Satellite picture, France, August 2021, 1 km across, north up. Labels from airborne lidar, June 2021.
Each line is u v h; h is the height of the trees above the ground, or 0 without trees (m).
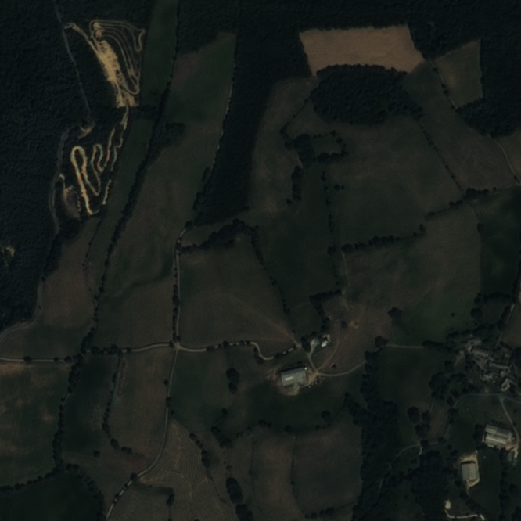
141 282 0
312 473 0
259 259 10
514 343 0
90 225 0
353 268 0
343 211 0
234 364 0
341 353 0
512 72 26
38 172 15
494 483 0
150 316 0
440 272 0
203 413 0
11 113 15
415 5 22
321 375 0
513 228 0
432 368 0
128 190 0
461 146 0
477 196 18
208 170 11
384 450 20
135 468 0
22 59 23
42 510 0
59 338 0
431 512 19
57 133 14
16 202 11
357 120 13
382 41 0
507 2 19
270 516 0
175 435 0
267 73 15
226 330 0
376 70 16
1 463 0
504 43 19
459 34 19
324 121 12
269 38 14
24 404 0
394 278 0
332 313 0
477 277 0
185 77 0
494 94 20
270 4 17
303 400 0
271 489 0
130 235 0
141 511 0
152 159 14
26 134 11
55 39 14
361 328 0
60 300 0
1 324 9
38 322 0
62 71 15
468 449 0
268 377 0
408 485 27
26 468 0
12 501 0
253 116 14
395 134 0
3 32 22
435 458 21
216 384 0
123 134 6
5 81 22
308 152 23
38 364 0
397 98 18
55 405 0
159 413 0
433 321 0
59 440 13
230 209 17
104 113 12
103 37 0
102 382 0
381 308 0
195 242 0
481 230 12
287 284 0
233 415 0
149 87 0
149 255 0
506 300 16
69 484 0
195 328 0
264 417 0
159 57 0
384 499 22
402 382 0
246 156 15
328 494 0
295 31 17
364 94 10
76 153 6
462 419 0
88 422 0
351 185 0
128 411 0
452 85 0
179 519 0
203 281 0
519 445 0
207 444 0
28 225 13
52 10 17
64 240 9
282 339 0
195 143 0
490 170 0
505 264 0
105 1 12
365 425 16
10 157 15
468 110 19
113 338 0
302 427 0
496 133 12
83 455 0
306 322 0
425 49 18
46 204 14
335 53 0
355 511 12
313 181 0
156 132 15
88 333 0
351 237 0
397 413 24
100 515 13
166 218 0
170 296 0
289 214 0
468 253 0
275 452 0
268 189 0
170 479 0
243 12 14
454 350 12
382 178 0
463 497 13
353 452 0
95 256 0
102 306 0
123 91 0
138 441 0
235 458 0
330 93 12
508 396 0
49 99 15
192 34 15
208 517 0
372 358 21
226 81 0
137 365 0
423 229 10
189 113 0
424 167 0
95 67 15
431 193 0
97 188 6
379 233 0
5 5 26
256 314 0
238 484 22
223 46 0
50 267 15
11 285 20
